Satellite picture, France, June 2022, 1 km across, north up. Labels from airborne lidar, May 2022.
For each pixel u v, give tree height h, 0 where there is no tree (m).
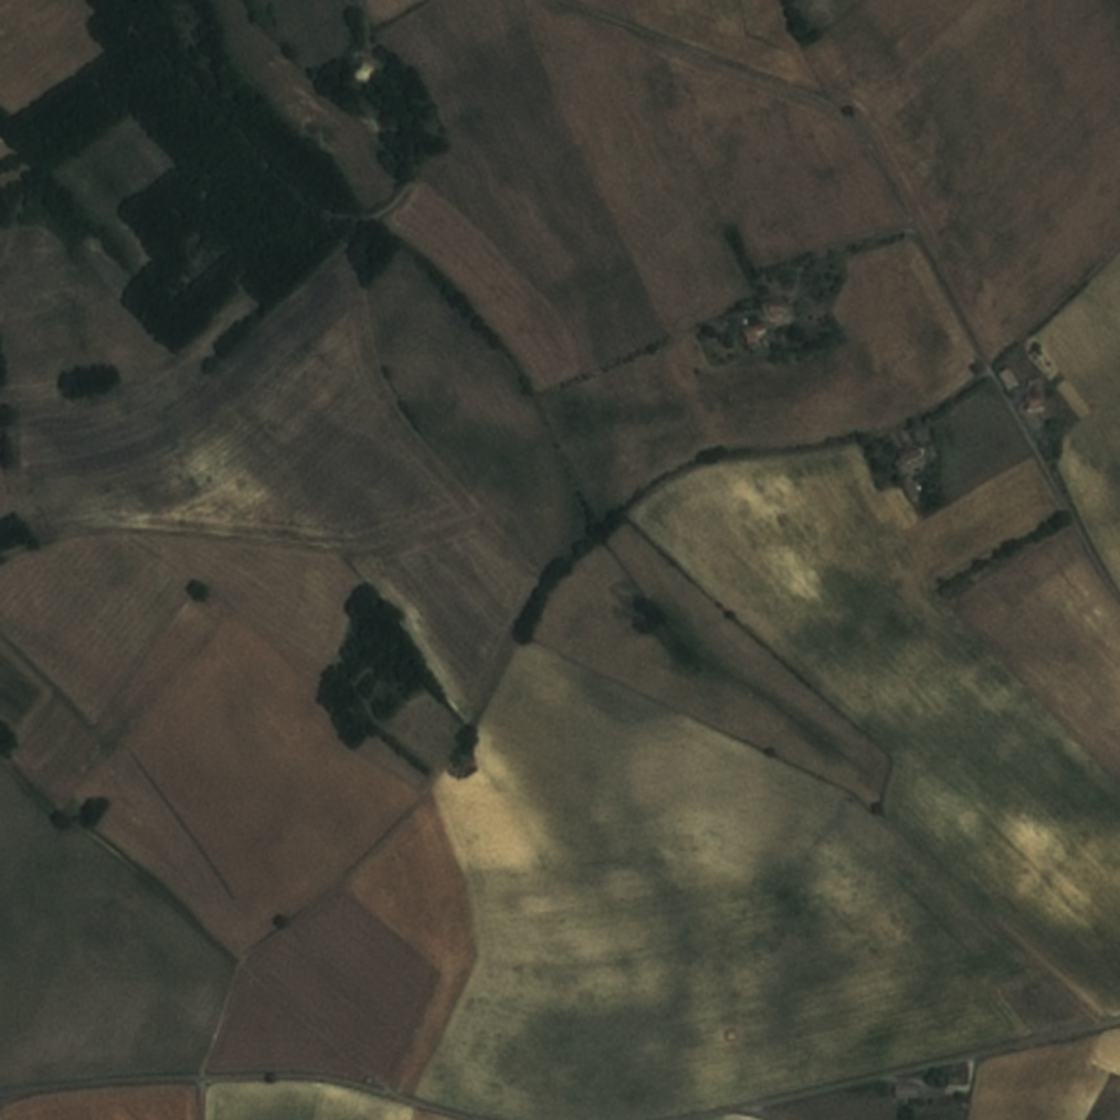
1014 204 0
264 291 9
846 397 0
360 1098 0
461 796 0
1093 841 0
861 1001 0
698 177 0
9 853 0
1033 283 0
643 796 0
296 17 0
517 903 0
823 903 0
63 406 0
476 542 0
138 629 0
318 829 0
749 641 0
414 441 0
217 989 0
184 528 0
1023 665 0
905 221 0
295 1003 0
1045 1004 0
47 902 0
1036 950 0
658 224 0
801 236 0
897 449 6
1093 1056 0
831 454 0
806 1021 0
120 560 0
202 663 0
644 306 0
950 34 0
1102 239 0
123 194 0
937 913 0
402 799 0
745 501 0
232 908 0
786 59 0
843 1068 0
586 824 0
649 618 30
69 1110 0
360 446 0
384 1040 0
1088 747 0
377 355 0
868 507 0
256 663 0
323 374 0
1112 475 0
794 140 0
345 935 0
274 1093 0
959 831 0
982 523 0
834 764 0
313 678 0
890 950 0
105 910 0
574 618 0
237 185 11
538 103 0
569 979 0
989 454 0
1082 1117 0
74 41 0
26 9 0
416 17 0
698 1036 0
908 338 0
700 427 0
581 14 0
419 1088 0
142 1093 0
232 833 0
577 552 10
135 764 0
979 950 0
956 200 0
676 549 0
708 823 0
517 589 0
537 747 0
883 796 0
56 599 0
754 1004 0
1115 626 0
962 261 0
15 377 0
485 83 0
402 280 0
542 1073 0
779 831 0
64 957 0
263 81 0
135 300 13
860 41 0
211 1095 0
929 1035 0
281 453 0
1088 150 0
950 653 0
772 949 0
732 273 0
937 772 0
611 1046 0
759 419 0
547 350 0
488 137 0
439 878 0
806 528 0
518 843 0
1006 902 0
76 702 0
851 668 0
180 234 9
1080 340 0
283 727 0
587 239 0
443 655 0
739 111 0
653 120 0
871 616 0
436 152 10
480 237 0
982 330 0
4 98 0
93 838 0
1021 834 0
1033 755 0
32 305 0
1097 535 0
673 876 0
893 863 0
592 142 0
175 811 0
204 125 12
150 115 12
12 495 0
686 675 0
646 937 0
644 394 0
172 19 9
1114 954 0
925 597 0
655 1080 0
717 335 6
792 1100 0
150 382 0
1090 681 0
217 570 0
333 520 0
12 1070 0
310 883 0
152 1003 0
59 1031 0
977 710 0
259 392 0
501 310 0
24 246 0
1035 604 0
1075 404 0
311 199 11
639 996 0
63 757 0
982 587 0
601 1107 0
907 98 0
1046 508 0
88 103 11
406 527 0
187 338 12
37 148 10
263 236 10
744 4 0
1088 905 0
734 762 0
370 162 0
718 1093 0
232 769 0
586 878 0
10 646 0
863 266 0
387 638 15
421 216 0
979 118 0
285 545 0
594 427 0
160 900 0
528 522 0
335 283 0
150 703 0
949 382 0
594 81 0
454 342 0
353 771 0
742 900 0
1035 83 0
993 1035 0
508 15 0
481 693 0
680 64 0
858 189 0
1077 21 0
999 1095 0
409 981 0
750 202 0
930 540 0
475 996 0
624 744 0
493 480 0
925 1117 0
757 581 0
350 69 11
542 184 0
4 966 0
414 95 13
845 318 0
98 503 0
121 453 0
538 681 0
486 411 0
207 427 0
